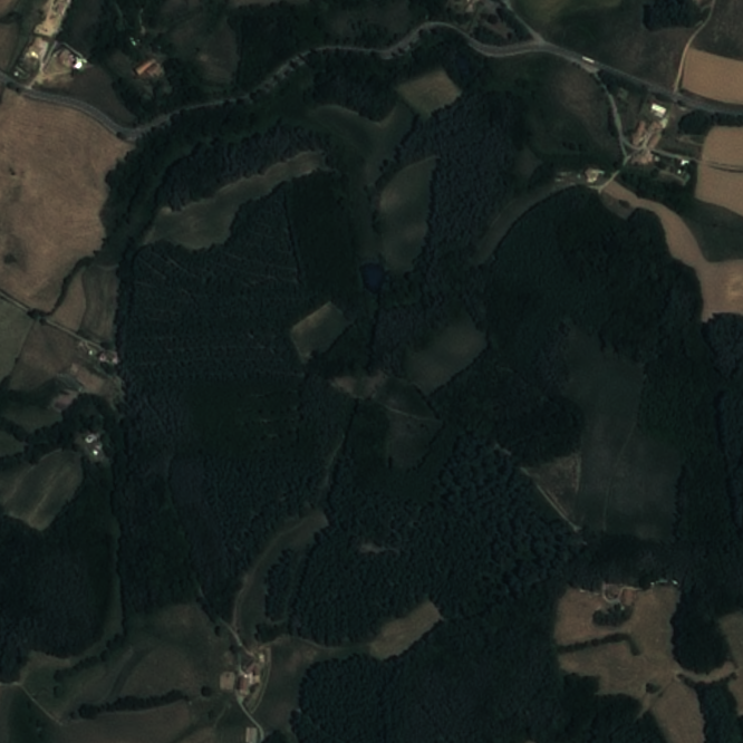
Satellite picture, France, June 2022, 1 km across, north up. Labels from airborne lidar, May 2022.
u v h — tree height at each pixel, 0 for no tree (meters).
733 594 22
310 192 9
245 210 11
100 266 0
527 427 22
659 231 17
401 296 19
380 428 14
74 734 0
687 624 28
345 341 14
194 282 15
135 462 16
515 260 15
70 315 0
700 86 0
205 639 0
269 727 0
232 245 16
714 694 25
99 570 11
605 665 0
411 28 7
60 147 0
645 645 0
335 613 23
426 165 0
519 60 0
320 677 23
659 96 11
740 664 0
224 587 9
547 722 20
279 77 14
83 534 14
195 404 17
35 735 0
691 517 8
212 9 7
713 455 8
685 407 6
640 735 15
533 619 21
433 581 20
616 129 9
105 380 0
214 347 15
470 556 21
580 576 20
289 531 0
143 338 14
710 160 0
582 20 0
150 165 21
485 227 16
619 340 19
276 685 0
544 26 0
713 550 21
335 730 19
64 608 23
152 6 7
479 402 20
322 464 23
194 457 13
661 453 0
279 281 13
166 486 15
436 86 0
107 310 0
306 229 16
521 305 8
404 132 0
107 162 0
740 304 0
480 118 15
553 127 0
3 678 27
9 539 21
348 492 21
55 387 0
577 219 8
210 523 12
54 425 9
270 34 9
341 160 11
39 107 0
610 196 0
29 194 0
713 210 0
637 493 0
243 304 18
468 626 27
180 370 17
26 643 31
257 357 12
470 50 7
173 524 19
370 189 8
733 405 30
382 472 11
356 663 21
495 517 32
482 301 22
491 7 0
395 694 28
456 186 24
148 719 0
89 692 0
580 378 0
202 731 0
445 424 12
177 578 15
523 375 18
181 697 15
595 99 0
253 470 20
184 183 18
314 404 21
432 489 13
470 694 23
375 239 0
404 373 16
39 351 0
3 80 0
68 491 0
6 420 13
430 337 17
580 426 21
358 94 18
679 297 17
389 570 21
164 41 9
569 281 14
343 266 16
